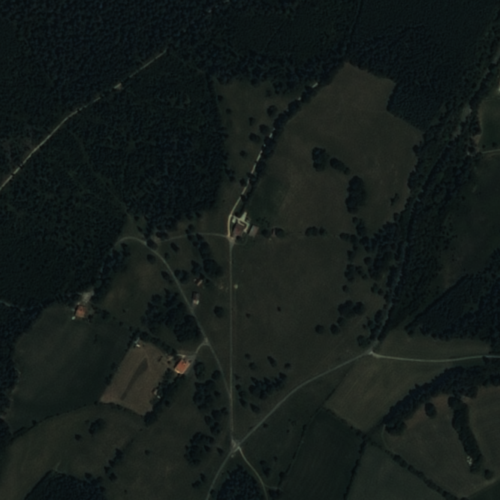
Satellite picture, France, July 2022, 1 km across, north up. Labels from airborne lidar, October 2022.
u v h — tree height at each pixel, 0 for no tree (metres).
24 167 8
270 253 0
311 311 0
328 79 26
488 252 0
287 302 0
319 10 7
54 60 22
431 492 0
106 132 16
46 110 11
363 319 0
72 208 6
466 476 0
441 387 30
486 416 0
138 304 0
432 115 21
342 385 0
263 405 0
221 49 11
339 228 0
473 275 7
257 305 0
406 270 25
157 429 0
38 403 0
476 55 19
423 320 17
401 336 0
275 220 0
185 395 0
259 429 0
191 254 0
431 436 0
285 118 22
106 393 0
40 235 15
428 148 16
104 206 8
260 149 0
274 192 0
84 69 26
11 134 8
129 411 6
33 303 14
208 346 0
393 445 0
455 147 33
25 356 0
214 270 18
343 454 0
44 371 0
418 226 30
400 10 11
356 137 0
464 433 22
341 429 0
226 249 0
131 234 0
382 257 8
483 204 0
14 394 0
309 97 17
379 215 0
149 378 0
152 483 0
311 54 6
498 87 0
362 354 0
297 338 0
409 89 23
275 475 0
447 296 17
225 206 0
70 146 12
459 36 15
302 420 0
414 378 0
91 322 6
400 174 0
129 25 28
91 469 0
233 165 0
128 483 0
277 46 10
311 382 0
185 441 0
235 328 0
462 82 21
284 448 0
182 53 8
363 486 0
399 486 0
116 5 31
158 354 0
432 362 0
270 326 0
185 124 7
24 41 12
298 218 0
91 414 0
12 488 0
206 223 0
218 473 0
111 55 21
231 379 0
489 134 0
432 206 16
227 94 0
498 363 9
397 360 0
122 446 0
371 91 0
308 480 0
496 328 6
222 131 30
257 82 21
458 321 14
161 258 0
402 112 20
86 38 30
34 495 13
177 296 11
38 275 7
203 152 7
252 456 0
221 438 0
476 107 21
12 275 6
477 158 10
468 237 0
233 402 0
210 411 0
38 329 0
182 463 0
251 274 0
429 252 22
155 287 0
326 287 0
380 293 11
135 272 0
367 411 0
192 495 0
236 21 11
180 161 33
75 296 16
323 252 0
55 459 0
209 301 0
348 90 0
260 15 11
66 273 8
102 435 0
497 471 0
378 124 0
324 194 0
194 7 25
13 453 0
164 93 13
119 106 9
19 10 17
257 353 0
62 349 0
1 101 15
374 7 13
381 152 0
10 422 0
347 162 0
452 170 8
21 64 8
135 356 0
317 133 0
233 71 15
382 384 0
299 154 0
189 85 8
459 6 15
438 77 15
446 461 0
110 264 33
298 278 0
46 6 20
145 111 8
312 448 0
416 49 19
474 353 0
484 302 17
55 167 8
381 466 0
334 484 0
